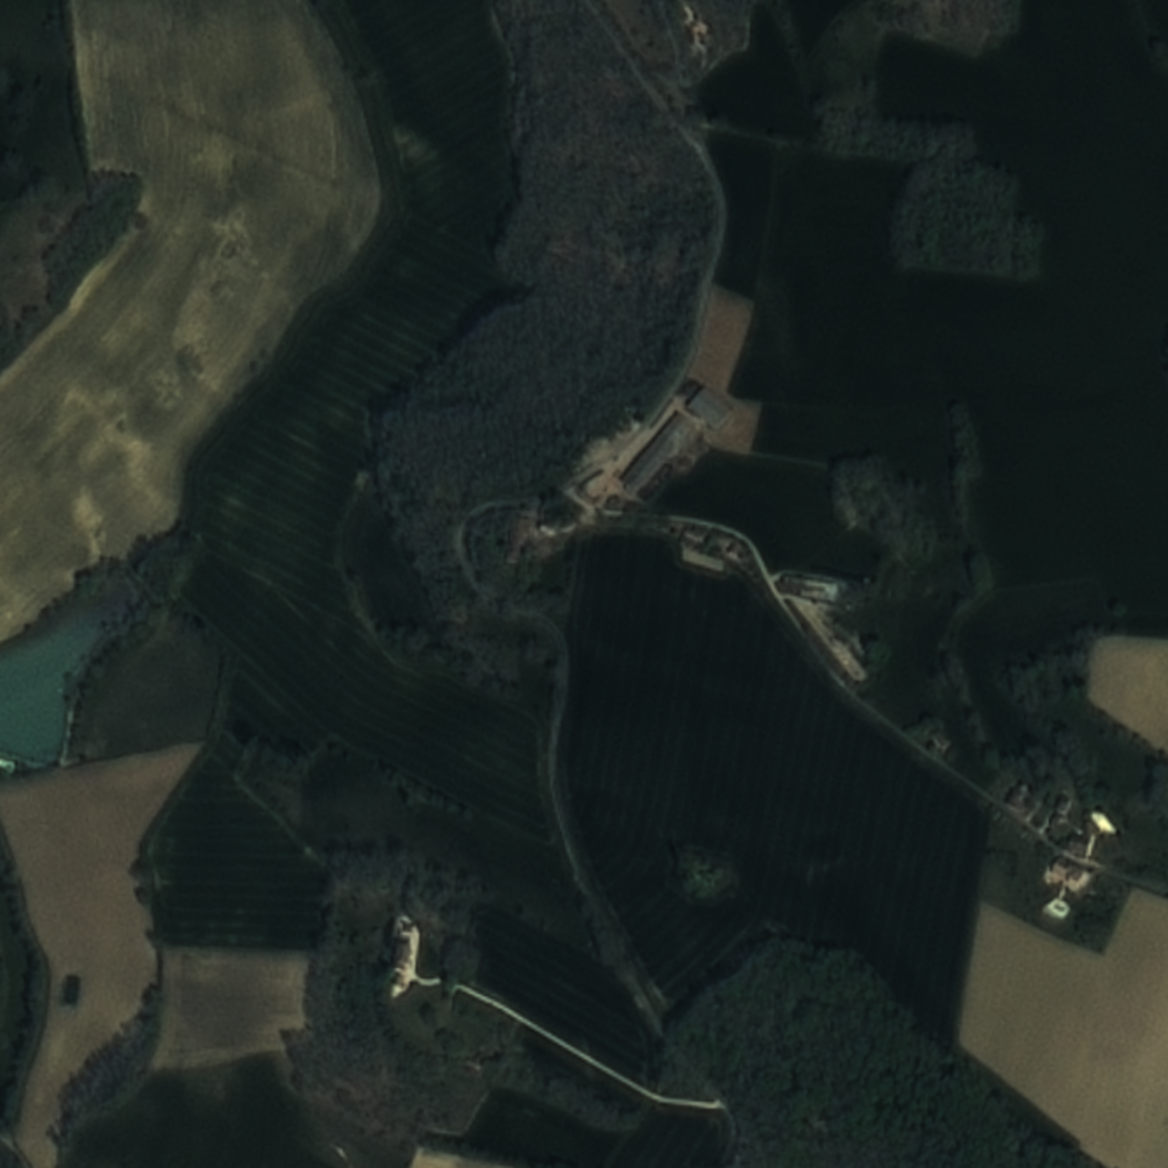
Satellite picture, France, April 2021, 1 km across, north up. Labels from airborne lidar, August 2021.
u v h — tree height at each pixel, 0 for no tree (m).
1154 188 0
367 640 0
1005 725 0
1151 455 0
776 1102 20
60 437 0
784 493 0
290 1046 17
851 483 17
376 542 0
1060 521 0
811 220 0
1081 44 0
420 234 0
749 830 0
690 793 0
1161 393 0
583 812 0
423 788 12
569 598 17
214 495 0
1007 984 0
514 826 0
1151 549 0
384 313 0
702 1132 0
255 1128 0
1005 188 17
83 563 0
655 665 0
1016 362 0
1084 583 0
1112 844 8
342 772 0
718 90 0
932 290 0
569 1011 0
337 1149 0
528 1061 7
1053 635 0
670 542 0
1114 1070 0
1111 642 0
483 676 23
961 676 21
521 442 21
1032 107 0
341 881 13
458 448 19
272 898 0
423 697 0
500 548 7
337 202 0
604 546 0
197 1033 0
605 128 7
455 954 17
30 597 0
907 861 0
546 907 0
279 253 0
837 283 0
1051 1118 0
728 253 0
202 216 0
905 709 0
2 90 19
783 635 0
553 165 17
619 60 12
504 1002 0
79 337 0
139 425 0
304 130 0
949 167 18
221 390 0
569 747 0
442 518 9
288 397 0
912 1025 15
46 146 0
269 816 0
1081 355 0
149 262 0
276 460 0
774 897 0
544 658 14
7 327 16
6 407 0
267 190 0
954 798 0
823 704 0
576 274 16
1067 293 0
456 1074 10
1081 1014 0
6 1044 23
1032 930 0
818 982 25
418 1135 14
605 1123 15
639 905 0
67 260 19
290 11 0
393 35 0
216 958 0
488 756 0
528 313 20
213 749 0
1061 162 0
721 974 0
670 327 9
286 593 0
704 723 0
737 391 0
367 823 0
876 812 0
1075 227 0
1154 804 17
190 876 0
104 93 0
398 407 13
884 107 0
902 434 0
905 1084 30
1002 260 17
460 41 0
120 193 15
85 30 0
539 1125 0
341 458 0
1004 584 0
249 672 0
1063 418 0
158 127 0
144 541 0
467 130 0
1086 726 0
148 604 11
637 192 14
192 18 0
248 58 0
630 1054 0
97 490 0
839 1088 25
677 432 0
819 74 0
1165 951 0
